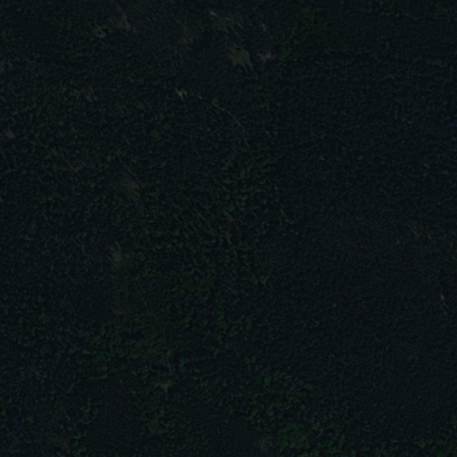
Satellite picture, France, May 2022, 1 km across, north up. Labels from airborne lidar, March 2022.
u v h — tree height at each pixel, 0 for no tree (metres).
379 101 36
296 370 23
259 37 35
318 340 30
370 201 34
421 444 26
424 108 33
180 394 24
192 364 26
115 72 28
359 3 32
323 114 37
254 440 20
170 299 6
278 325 34
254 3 32
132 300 8
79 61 16
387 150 31
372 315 29
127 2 33
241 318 18
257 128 42
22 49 20
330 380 27
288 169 37
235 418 26
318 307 35
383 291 34
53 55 14
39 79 22
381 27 29
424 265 37
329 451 26
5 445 34
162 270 14
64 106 25
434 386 27
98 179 28
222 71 33
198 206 8
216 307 28
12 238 21
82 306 28
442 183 37
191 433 23
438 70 39
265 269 28
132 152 29
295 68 34
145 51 32
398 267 33
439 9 28
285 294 17
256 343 24
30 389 27
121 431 22
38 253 31
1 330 27
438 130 36
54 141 29
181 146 28
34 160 34
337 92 24
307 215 21
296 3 29
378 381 28
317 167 32
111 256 29
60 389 27
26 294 31
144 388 24
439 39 28
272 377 27
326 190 38
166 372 23
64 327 28
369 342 32
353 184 32
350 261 33
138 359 26
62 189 35
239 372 32
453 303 35
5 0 25
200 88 33
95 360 26
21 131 32
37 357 32
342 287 35
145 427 10
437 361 29
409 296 36
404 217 31
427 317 35
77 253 29
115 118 28
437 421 23
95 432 18
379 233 32
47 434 36
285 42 31
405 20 28
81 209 11
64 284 32
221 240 6
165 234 21
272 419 21
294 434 26
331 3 32
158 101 33
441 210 32
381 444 26
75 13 28
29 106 31
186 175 33
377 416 22
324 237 32
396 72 36
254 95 34
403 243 32
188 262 28
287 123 28
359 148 35
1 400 7
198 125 34
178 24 34
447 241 36
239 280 24
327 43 16
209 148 10
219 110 12
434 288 36
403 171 9
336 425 27
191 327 22
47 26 18
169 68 31
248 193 25
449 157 35
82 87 27
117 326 19
